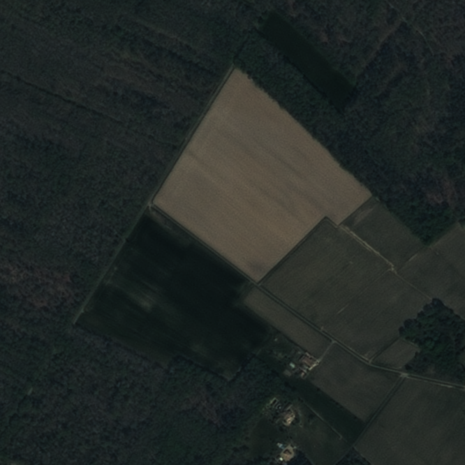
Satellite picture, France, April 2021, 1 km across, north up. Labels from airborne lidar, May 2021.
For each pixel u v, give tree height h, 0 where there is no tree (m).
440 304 9
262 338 0
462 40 11
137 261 0
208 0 20
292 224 0
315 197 0
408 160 15
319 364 0
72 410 21
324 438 0
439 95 14
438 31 13
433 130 14
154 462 18
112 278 0
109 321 0
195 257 0
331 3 14
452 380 0
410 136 20
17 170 13
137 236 0
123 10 15
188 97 10
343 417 0
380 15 13
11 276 11
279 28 0
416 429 0
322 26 21
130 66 18
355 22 11
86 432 17
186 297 0
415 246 0
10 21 12
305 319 0
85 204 12
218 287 0
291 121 0
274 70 24
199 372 17
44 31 14
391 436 0
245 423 12
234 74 0
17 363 13
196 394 15
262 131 0
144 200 16
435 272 0
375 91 25
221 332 0
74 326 11
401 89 18
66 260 18
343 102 0
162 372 19
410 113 18
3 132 20
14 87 9
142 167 17
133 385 7
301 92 22
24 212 17
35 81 12
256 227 0
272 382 19
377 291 0
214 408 14
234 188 0
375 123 6
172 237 0
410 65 26
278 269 0
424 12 11
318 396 0
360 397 0
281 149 0
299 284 0
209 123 0
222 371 0
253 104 0
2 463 0
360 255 0
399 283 0
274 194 0
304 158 0
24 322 20
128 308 0
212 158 0
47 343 9
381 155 19
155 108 21
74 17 21
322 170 0
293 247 0
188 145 0
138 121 17
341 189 0
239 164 0
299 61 0
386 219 0
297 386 0
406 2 12
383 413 0
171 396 14
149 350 0
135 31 19
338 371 0
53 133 14
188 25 20
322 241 0
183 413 16
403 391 0
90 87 13
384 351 0
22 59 16
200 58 22
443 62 13
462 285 0
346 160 24
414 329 21
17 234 23
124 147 16
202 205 0
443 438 0
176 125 6
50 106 9
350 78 21
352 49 17
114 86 17
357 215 0
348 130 16
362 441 0
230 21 15
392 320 0
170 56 24
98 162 18
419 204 7
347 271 0
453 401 0
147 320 0
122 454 19
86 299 13
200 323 0
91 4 19
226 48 21
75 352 18
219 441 17
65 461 7
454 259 0
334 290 0
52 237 21
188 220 0
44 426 13
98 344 19
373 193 14
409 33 27
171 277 0
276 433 0
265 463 13
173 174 0
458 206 6
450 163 16
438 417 0
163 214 0
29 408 16
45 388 15
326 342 0
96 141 20
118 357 16
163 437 15
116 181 19
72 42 16
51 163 18
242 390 15
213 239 0
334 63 15
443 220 9
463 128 15
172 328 0
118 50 18
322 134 13
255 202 0
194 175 0
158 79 10
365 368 0
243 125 0
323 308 0
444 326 13
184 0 17
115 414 17
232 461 7
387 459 0
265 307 0
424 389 0
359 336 0
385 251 0
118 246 18
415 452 0
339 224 0
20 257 13
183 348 0
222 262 0
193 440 17
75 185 21
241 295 0
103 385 7
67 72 17
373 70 14
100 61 12
